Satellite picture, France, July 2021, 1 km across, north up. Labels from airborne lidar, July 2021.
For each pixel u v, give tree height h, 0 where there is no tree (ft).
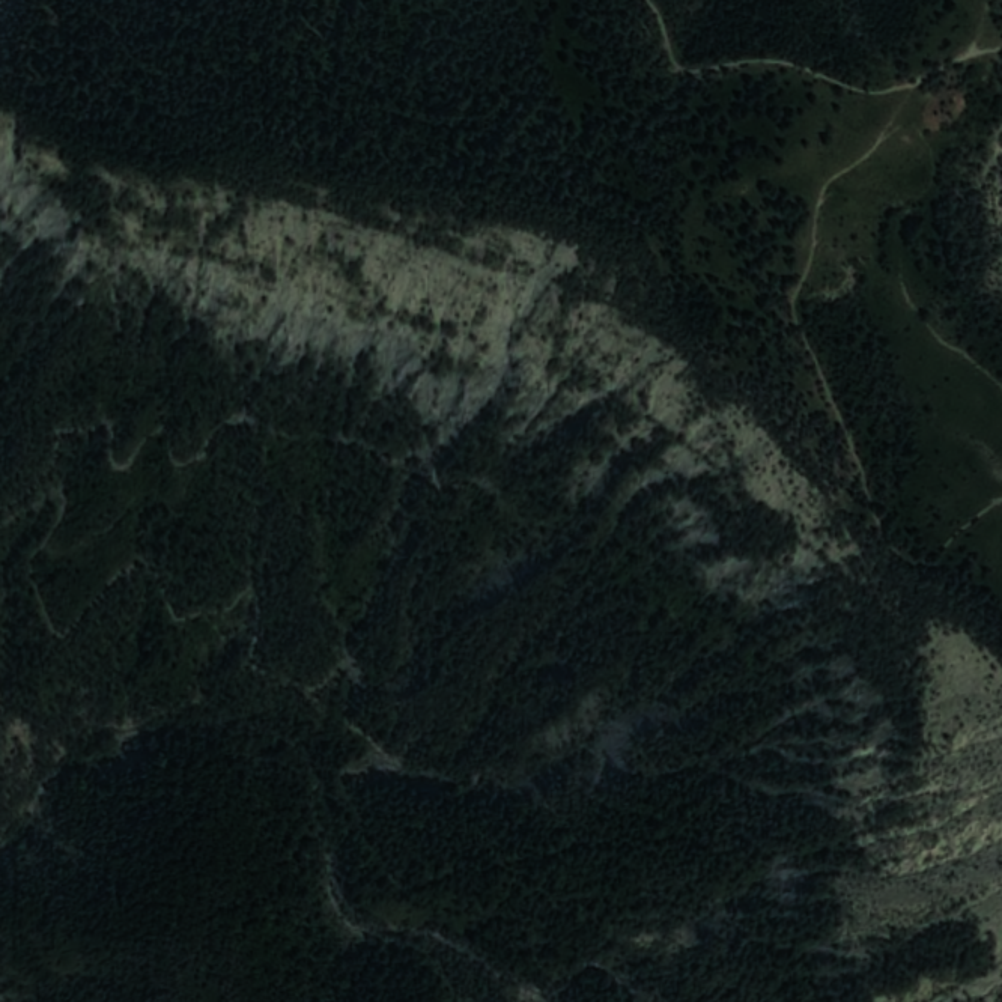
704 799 73
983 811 0
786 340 42
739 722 62
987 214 18
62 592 18
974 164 30
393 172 43
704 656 41
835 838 38
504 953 83
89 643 74
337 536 24
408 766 25
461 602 43
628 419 41
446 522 77
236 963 43
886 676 40
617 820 38
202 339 53
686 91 36
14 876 23
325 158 58
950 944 33
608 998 69
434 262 0
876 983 20
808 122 0
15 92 59
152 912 59
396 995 61
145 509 25
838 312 28
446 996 34
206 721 23
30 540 94
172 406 32
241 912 73
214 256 24
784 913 36
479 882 44
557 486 63
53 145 18
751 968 39
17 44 72
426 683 48
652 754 50
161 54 66
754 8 74
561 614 57
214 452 74
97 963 22
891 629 52
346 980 58
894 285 0
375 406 47
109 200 25
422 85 39
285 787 73
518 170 40
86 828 46
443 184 64
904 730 31
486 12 71
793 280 56
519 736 57
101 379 24
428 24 86
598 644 69
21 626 40
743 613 18
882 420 27
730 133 59
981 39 0
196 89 86
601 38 50
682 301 58
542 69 94
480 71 58
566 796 48
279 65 52
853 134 0
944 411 0
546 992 51
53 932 39
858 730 27
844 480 30
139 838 67
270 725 37
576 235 30
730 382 34
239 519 95
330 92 118
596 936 55
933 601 47
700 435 0
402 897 47
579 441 52
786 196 54
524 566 0
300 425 31
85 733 35
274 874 79
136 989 47
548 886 43
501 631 20
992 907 0
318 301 0
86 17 81
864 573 31
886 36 49
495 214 31
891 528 72
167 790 58
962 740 0
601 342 0
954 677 0
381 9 46
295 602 52
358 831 21
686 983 39
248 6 73
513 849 44
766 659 71
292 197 19
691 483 23
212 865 66
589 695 60
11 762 49
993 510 0
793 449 30
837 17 39
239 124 66
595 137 79
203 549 22
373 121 49
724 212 61
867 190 0
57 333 62
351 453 78
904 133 0
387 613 50
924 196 0
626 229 48
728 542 54
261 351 62
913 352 0
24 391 58
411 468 47
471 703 58
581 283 29
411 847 23
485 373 26
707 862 32
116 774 45
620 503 25
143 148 56
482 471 27
